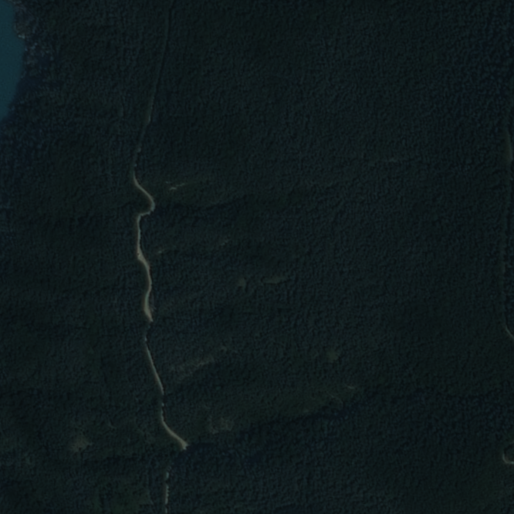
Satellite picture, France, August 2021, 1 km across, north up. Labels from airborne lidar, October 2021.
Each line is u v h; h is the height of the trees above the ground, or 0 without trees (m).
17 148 15
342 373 14
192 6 15
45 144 15
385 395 23
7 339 14
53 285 21
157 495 11
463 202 18
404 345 16
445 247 17
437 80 18
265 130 15
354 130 15
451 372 19
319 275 14
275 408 9
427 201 16
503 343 18
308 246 10
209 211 15
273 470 11
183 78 17
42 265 19
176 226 13
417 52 20
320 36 16
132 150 9
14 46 0
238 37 16
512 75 15
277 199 15
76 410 13
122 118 10
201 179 8
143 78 15
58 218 18
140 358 14
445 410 19
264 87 17
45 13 16
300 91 16
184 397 14
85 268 15
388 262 14
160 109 10
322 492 16
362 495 8
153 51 8
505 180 17
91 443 8
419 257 15
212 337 12
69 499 14
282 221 14
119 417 15
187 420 9
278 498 15
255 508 12
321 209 10
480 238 17
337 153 13
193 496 9
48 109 18
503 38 31
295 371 13
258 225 17
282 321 9
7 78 0
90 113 13
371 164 11
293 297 12
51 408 19
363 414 17
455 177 17
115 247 12
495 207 15
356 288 15
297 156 15
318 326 14
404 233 15
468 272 12
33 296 14
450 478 23
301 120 16
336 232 15
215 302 6
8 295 14
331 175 14
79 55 18
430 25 23
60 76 14
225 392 17
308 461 13
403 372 18
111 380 17
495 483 14
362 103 13
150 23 12
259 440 15
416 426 23
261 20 21
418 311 23
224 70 8
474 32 23
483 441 18
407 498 14
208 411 6
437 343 18
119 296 8
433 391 26
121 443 10
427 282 15
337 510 15
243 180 11
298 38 18
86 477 17
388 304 13
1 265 20
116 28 15
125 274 10
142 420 12
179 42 18
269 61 16
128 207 13
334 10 20
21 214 18
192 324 7
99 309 13
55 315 12
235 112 17
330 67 14
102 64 19
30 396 18
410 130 15
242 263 11
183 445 0
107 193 17
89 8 20
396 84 13
